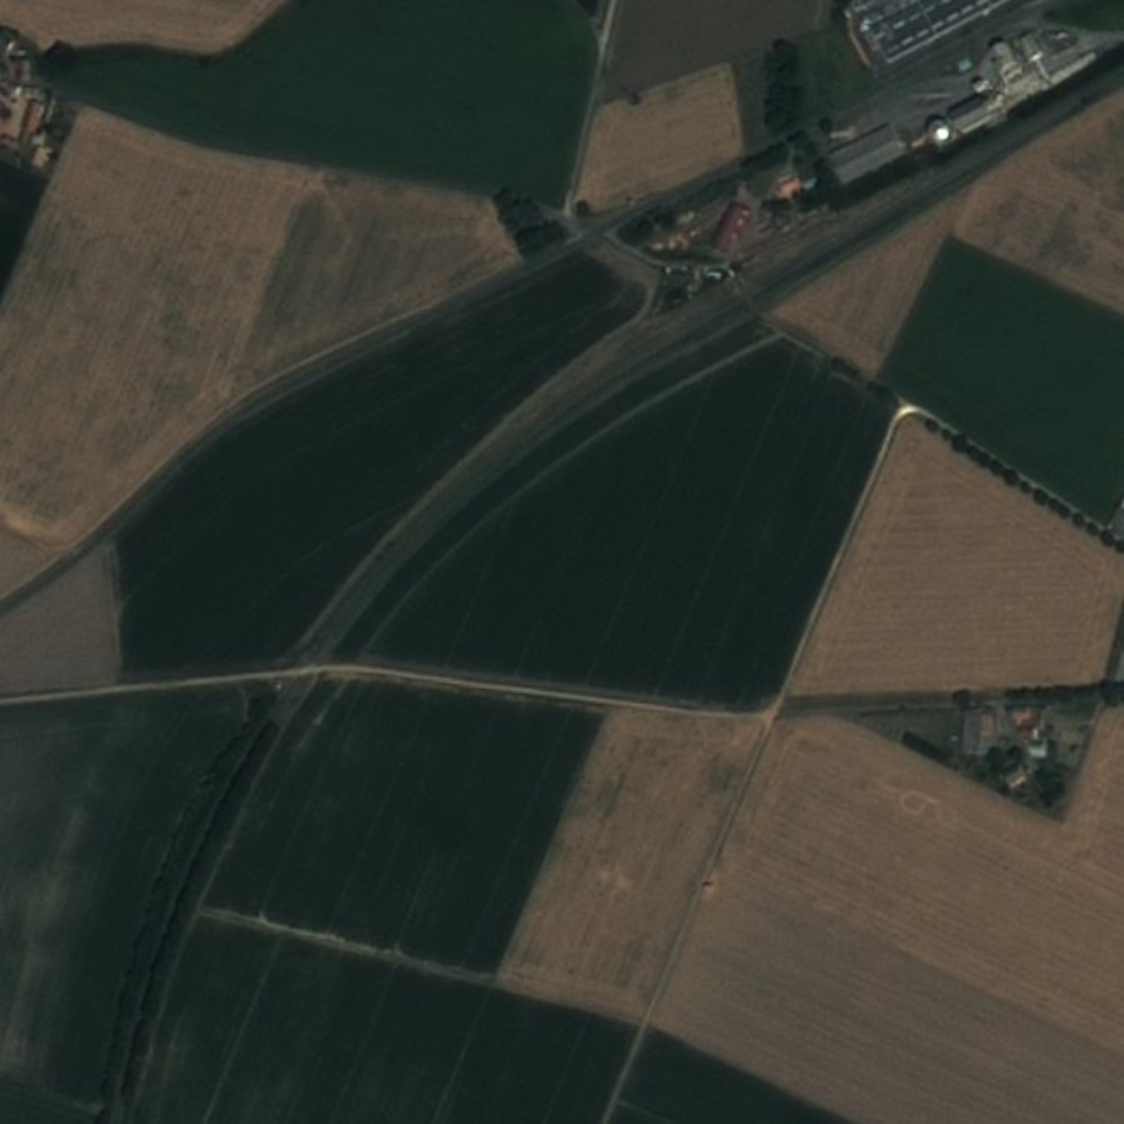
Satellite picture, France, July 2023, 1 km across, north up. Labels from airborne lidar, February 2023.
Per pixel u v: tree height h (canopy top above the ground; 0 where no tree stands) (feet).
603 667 0
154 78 0
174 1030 0
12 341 0
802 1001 0
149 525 0
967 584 0
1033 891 0
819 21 0
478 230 0
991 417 0
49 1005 0
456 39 0
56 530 0
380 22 0
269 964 0
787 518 0
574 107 0
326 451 0
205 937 0
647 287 0
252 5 0
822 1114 0
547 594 0
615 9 0
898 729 0
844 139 0
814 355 0
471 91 0
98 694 0
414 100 0
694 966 0
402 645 0
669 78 0
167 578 0
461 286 0
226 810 42
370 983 0
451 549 0
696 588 0
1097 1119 0
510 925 0
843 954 0
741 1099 0
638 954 0
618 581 0
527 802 0
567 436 0
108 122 0
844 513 0
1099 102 0
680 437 0
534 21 0
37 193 0
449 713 0
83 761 0
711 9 0
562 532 0
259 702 21
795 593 0
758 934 0
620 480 0
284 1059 0
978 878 0
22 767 0
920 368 0
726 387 0
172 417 0
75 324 0
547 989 0
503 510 0
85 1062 0
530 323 0
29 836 0
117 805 0
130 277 0
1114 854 0
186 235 0
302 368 0
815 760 0
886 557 0
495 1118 0
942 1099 0
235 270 0
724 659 0
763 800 0
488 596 0
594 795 0
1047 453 0
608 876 0
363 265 0
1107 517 0
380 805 0
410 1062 0
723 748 0
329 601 0
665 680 0
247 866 0
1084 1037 0
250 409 0
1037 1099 0
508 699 0
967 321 0
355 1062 0
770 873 0
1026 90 0
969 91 0
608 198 0
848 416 0
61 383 0
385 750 0
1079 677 0
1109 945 0
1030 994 0
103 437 0
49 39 0
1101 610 0
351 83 0
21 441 0
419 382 0
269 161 0
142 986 37
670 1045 0
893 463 0
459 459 0
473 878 0
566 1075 0
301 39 0
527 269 0
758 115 0
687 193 0
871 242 0
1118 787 0
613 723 0
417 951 0
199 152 0
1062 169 0
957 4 0
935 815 0
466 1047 0
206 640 0
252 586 0
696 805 0
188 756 0
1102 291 0
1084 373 0
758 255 0
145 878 0
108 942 0
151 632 0
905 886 0
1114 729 0
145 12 0
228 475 0
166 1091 0
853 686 0
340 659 0
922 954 0
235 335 0
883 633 0
